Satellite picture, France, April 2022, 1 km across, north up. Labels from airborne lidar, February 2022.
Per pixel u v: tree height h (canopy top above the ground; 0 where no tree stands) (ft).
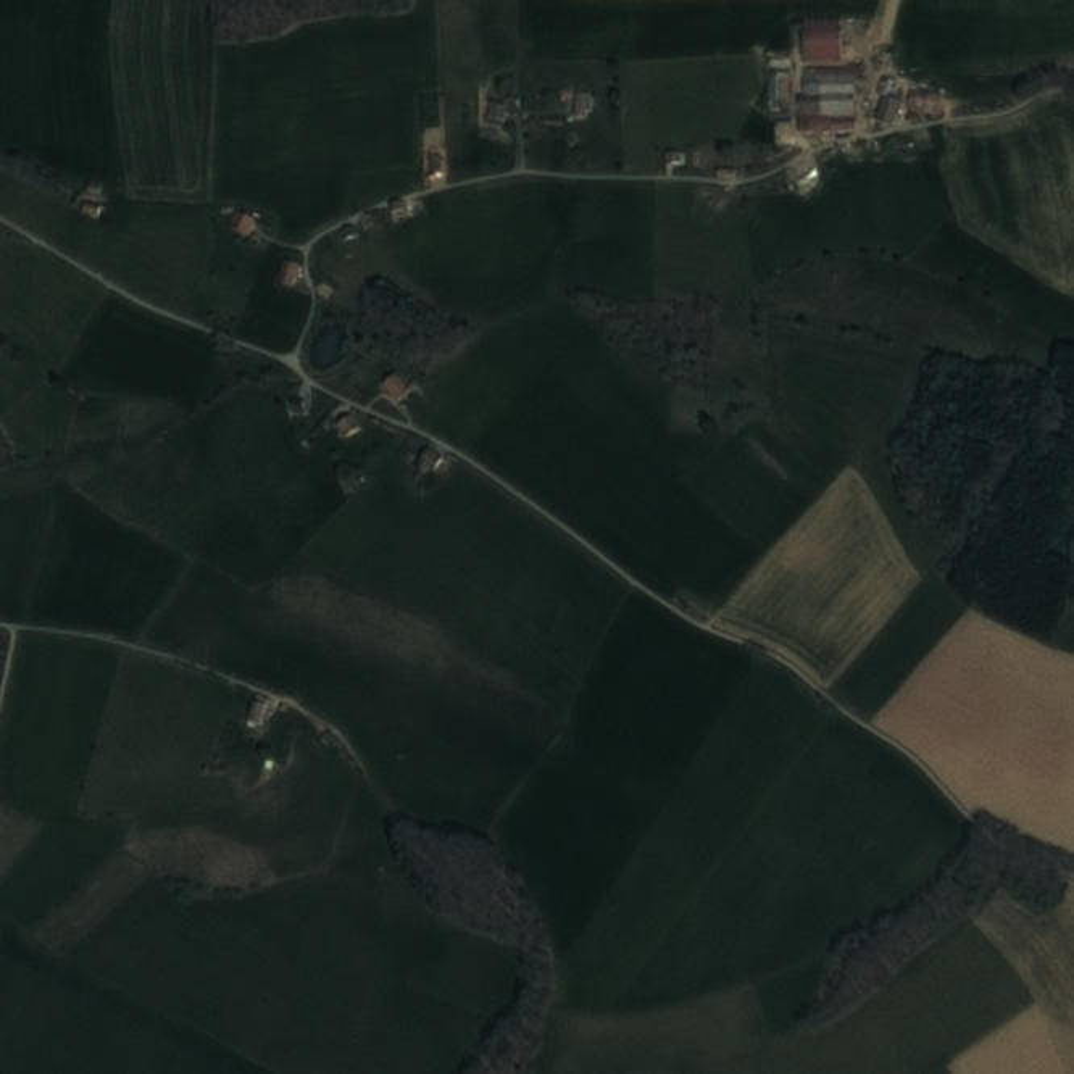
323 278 0
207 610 0
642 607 0
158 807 0
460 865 105
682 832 0
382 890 0
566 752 0
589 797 0
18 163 71
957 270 0
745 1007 0
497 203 0
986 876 84
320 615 0
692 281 0
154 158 0
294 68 0
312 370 0
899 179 0
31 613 0
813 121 0
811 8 0
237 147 0
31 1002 0
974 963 0
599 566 0
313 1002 0
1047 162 0
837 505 0
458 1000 0
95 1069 0
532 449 0
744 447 0
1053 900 81
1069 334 0
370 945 0
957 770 0
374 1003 0
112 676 0
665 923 0
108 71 0
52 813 0
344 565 0
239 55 0
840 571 0
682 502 0
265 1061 0
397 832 63
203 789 0
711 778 0
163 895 0
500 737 0
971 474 66
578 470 0
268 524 0
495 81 0
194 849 0
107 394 0
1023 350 0
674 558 0
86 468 0
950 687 0
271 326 0
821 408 0
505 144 0
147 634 0
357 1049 0
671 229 0
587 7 0
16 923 0
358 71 0
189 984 0
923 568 0
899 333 0
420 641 0
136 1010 0
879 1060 0
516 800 0
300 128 0
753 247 0
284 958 0
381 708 0
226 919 0
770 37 0
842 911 0
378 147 0
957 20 0
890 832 0
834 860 0
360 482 58
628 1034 0
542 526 0
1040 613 70
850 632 0
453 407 0
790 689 0
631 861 0
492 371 0
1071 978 0
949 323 0
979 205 0
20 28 0
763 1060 0
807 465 0
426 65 0
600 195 0
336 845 0
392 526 0
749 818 0
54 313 0
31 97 0
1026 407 55
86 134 0
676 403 0
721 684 0
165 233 0
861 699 0
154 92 0
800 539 0
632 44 0
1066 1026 0
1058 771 0
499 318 0
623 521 0
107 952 0
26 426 0
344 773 0
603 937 0
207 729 0
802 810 0
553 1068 0
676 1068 0
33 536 0
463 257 0
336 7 75
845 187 0
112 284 0
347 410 0
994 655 0
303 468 0
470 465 0
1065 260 0
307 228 0
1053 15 0
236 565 0
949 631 0
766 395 0
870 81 0
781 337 0
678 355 76
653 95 0
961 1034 0
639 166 0
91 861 0
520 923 103
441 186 0
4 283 0
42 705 0
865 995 88
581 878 0
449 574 0
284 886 0
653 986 0
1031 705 0
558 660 0
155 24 0
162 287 0
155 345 0
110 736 0
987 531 67
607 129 0
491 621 0
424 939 0
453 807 0
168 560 0
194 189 0
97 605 0
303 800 0
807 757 0
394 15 57
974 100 0
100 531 0
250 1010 0
